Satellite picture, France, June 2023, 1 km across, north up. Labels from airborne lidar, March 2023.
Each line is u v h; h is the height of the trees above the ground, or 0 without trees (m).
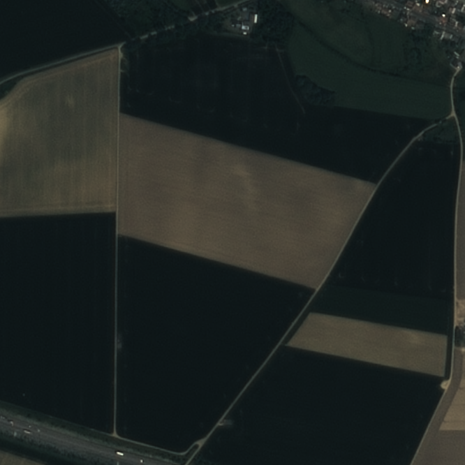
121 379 0
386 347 0
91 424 0
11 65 0
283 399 0
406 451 0
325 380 0
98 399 0
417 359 0
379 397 0
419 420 0
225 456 0
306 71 0
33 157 0
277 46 0
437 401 0
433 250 0
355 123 0
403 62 0
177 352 0
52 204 0
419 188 0
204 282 0
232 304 0
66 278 0
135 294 0
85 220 0
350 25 0
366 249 0
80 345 0
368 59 0
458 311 0
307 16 0
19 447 0
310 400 0
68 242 0
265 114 0
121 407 0
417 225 0
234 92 0
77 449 0
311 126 0
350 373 0
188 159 0
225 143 0
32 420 0
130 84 0
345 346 0
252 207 0
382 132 0
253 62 0
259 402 0
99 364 0
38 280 0
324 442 0
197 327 0
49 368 0
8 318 0
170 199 0
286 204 0
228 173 0
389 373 0
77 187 0
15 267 0
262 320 0
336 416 0
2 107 0
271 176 0
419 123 0
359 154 0
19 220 0
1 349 0
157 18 6
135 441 0
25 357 0
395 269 0
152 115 0
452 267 0
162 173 0
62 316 0
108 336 0
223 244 0
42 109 0
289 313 0
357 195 0
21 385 0
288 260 0
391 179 0
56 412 0
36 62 0
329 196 0
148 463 0
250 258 0
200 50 0
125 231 0
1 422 0
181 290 0
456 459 0
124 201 0
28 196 0
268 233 0
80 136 0
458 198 0
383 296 0
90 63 0
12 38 0
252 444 0
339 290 0
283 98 0
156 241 0
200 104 0
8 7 0
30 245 0
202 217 0
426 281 0
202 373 0
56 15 0
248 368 0
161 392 0
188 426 0
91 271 0
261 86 0
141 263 0
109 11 0
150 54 0
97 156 0
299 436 0
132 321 0
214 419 0
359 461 0
